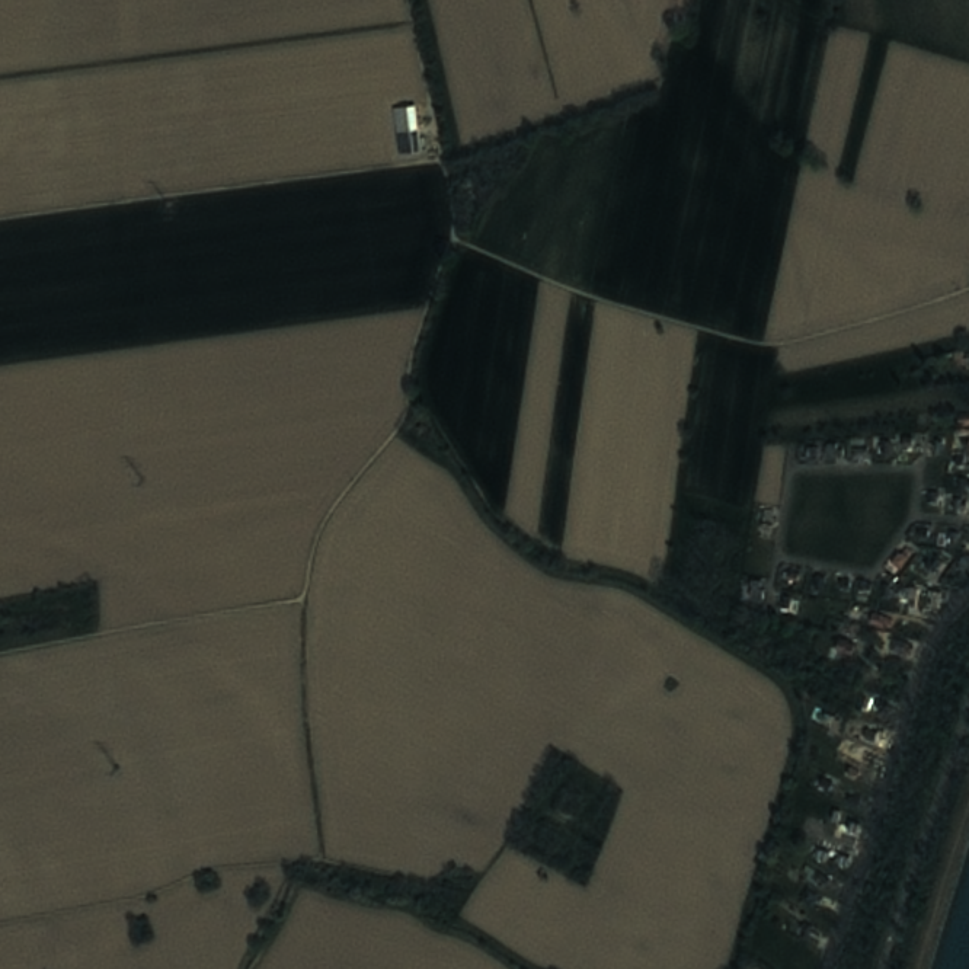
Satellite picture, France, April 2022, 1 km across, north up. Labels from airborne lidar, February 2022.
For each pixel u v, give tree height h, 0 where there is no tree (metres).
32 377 0
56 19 0
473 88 0
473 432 0
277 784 0
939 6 0
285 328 0
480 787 0
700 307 0
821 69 0
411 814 0
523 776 0
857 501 0
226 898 0
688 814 0
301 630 0
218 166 0
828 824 0
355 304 0
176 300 0
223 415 0
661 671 0
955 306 0
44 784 0
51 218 0
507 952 0
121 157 0
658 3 0
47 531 0
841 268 0
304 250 0
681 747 0
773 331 0
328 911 0
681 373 0
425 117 0
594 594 0
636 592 0
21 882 0
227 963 0
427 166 0
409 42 0
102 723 0
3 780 0
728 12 0
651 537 0
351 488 0
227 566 0
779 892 14
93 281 0
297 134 0
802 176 0
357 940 0
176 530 0
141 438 0
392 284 0
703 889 0
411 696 0
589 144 0
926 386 10
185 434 0
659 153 0
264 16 0
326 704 0
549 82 0
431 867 0
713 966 0
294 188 0
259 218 0
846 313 0
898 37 0
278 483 0
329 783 0
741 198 0
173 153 0
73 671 0
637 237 0
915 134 0
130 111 0
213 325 0
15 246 0
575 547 0
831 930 0
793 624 13
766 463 0
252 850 0
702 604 19
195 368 0
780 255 0
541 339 0
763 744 0
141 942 9
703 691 0
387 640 0
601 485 0
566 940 0
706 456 0
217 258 0
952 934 0
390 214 0
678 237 0
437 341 0
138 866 0
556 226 0
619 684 0
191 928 0
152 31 0
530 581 0
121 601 0
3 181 0
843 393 0
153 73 0
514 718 0
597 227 0
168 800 0
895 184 0
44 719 0
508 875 0
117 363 0
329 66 0
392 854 0
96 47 0
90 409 0
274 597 0
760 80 0
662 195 0
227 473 0
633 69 0
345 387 0
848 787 0
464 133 0
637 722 0
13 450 0
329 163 0
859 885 15
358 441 0
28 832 0
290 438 0
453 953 0
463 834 0
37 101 0
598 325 0
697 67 0
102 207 0
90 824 0
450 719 0
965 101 0
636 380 0
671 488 0
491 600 0
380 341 0
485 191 22
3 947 0
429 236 0
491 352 0
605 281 0
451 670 0
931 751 18
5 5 0
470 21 0
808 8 0
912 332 0
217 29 0
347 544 0
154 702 0
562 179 0
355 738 0
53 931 0
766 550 0
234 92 0
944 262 0
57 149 0
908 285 0
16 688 0
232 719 0
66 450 0
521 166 16
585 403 0
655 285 0
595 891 0
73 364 0
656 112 0
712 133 0
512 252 0
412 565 0
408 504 0
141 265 0
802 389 0
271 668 0
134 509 0
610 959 0
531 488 0
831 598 0
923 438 0
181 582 0
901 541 0
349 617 0
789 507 0
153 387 0
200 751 0
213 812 0
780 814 17
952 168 0
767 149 0
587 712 0
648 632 0
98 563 0
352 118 0
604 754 0
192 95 0
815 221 0
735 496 0
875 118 0
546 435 0
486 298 0
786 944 0
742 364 0
